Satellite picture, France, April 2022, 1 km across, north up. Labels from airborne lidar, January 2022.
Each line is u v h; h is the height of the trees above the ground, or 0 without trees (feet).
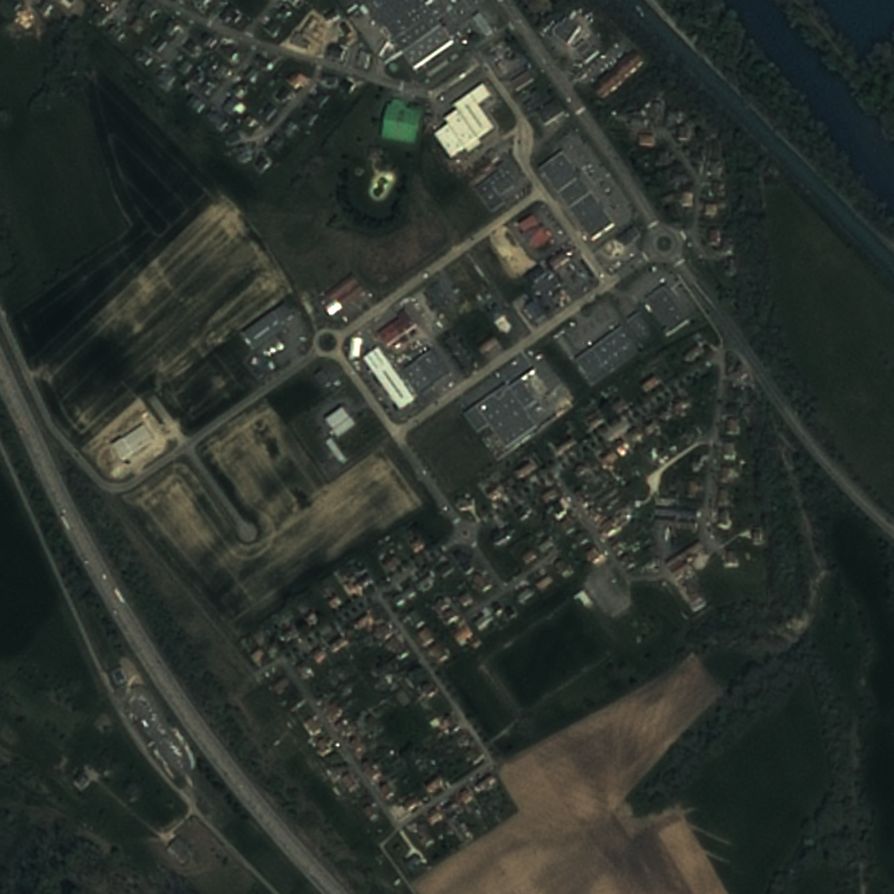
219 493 0
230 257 0
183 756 0
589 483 0
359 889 0
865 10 0
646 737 0
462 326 0
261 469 0
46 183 0
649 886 0
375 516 0
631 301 0
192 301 0
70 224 0
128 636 0
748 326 47
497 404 0
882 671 0
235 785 0
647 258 0
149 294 0
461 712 0
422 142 0
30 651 0
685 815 0
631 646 0
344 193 27
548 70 0
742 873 0
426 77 0
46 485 0
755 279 66
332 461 0
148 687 0
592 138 0
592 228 0
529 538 25
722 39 43
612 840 0
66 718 0
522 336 0
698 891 0
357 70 0
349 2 0
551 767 0
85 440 0
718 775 0
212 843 0
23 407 0
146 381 0
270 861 0
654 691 0
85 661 0
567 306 0
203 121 0
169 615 20
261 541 0
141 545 0
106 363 0
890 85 53
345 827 0
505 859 0
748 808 0
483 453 0
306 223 0
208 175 0
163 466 0
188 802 0
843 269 0
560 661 0
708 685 0
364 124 0
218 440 0
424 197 0
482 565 0
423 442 0
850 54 47
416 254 0
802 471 32
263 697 0
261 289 0
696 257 0
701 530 0
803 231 0
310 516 0
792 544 76
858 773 26
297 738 0
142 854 0
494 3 0
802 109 50
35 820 0
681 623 0
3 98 0
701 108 53
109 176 0
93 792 0
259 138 0
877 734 0
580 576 0
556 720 0
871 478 0
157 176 0
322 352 0
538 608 0
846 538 0
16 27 0
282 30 0
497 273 0
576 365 0
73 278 0
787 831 0
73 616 0
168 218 0
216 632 0
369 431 0
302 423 0
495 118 0
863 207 25
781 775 0
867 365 0
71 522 0
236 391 0
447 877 0
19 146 0
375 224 29
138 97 0
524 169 0
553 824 0
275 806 0
